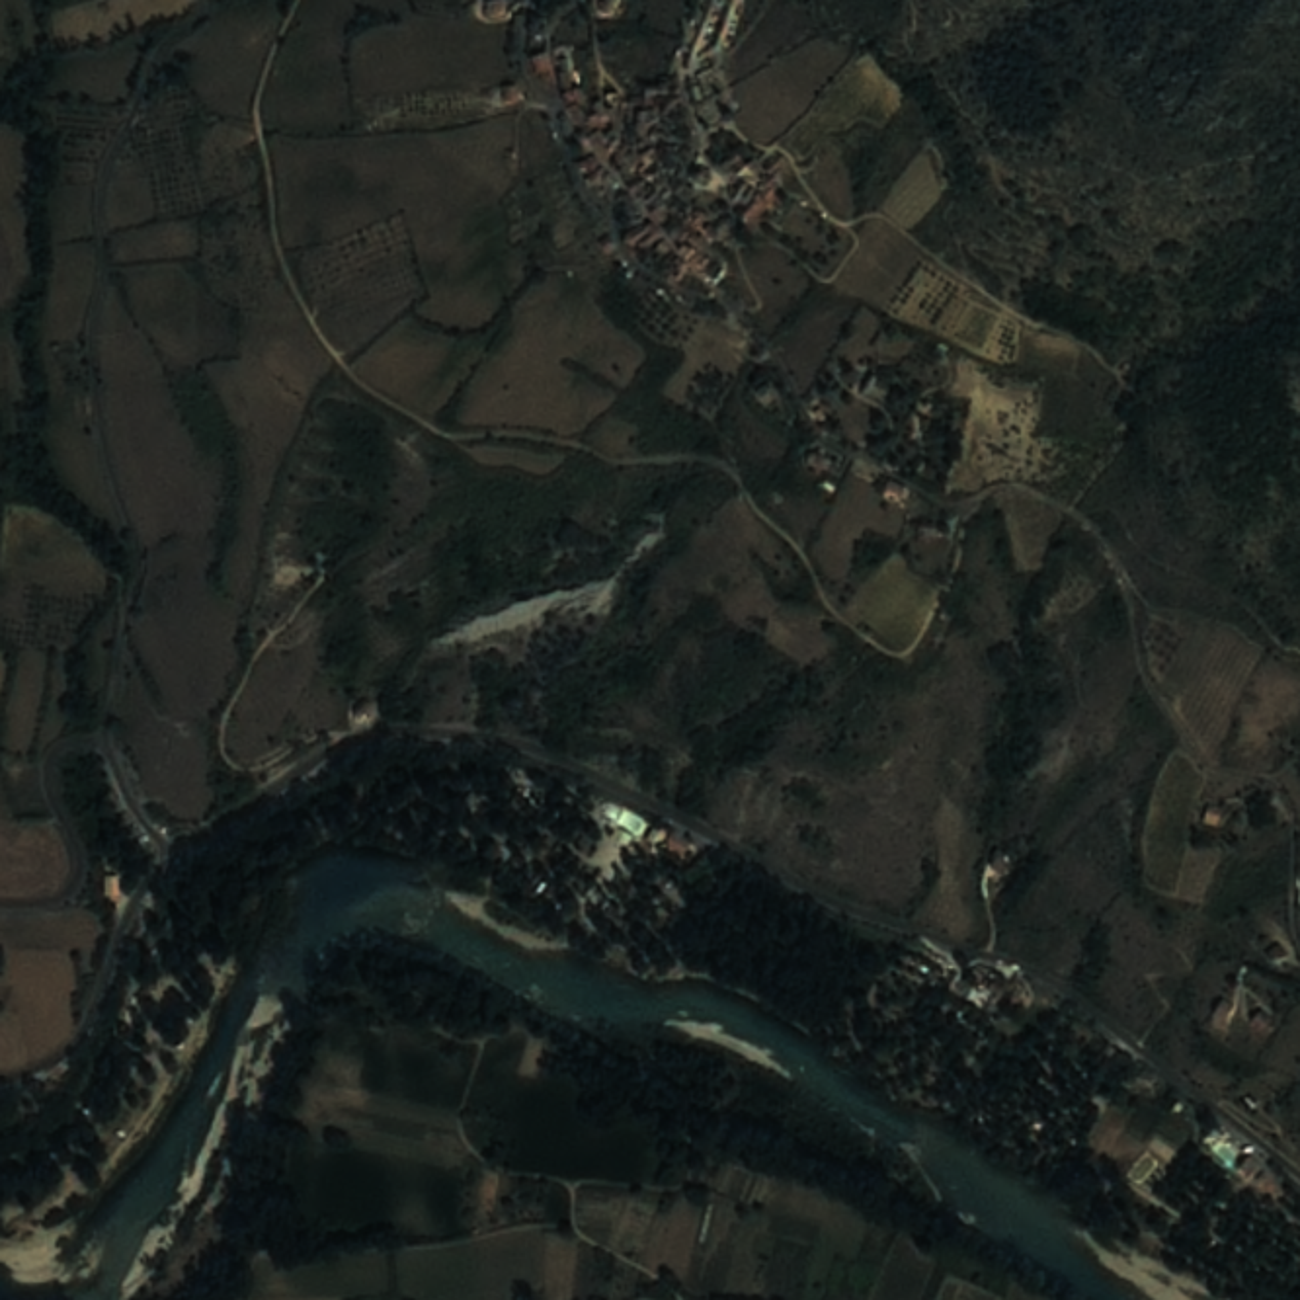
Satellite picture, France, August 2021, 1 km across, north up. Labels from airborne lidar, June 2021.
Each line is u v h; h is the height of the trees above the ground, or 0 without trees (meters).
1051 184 0
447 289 0
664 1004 0
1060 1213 0
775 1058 0
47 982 0
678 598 0
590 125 0
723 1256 0
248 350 0
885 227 0
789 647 0
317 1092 0
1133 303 8
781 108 0
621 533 9
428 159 0
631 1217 0
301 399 0
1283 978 9
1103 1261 0
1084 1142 11
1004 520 10
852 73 0
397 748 18
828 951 31
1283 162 11
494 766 15
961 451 9
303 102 0
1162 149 0
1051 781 0
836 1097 0
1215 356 7
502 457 0
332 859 0
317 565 16
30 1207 22
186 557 0
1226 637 0
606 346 0
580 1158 0
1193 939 0
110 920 8
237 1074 0
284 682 0
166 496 0
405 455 0
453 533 9
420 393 0
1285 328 7
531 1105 0
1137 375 9
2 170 0
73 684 18
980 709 0
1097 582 0
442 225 0
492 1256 0
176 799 0
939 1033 14
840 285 0
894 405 10
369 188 0
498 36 0
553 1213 0
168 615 0
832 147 0
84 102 9
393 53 0
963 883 0
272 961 0
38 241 15
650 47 0
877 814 0
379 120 0
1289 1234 11
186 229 0
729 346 0
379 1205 0
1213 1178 10
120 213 0
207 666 0
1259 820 13
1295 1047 0
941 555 0
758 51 0
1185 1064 0
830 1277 0
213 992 22
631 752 6
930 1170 0
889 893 0
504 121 0
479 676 6
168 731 0
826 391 18
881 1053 16
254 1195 24
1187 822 0
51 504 11
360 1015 13
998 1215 0
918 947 7
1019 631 6
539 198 0
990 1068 10
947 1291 0
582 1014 0
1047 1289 9
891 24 0
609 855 0
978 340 0
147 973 22
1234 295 10
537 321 0
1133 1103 9
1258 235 7
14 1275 0
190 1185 0
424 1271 0
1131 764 0
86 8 0
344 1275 0
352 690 10
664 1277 10
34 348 16
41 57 12
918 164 0
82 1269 0
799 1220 0
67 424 0
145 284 0
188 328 0
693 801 9
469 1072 0
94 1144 24
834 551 0
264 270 0
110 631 0
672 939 18
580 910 16
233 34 0
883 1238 0
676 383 0
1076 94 10
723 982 32
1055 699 7
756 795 0
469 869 15
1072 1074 16
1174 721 0
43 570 0
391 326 0
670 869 17
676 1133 27
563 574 11
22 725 0
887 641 0
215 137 0
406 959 9
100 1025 7
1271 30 7
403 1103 0
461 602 8
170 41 0
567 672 10
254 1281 19
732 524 0
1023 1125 8
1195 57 7
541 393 0
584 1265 0
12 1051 0
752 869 19
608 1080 25
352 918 0
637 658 9
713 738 11
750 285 0
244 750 0
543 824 12
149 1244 0
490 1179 0
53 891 0
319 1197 0
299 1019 27
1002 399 0
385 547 0
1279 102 7
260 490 0
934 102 11
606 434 0
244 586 0
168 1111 0
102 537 9
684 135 5
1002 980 9
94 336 0
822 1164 29
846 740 7
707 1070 15
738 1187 0
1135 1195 11
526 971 0
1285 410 6
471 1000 20
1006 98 8
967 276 0
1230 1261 11
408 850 13
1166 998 0
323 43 0
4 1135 15
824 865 0
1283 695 0
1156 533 0
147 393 0
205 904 24
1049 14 6
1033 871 13
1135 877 7
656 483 8
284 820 32
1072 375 0
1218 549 6
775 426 5
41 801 0
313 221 0
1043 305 11
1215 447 6
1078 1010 9
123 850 18
